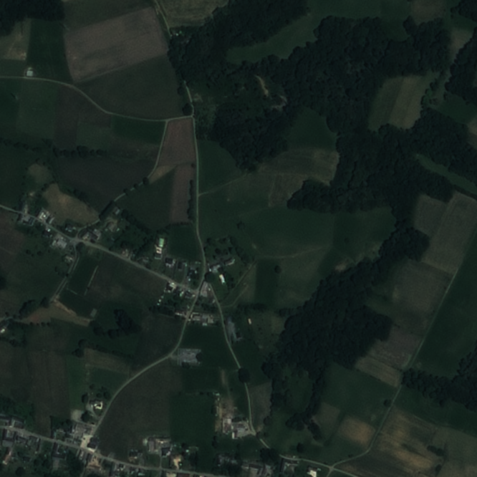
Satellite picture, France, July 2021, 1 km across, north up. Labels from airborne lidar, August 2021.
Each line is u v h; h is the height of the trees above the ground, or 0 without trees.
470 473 0
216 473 8
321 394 13
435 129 25
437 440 0
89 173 0
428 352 0
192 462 6
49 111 0
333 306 19
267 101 27
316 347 22
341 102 22
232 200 0
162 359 0
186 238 0
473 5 26
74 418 0
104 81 0
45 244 6
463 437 0
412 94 0
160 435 0
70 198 0
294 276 0
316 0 0
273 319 0
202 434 0
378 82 29
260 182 0
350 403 0
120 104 0
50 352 0
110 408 0
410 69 29
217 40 13
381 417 0
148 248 13
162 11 0
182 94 12
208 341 0
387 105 0
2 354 0
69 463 6
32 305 19
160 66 0
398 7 0
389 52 24
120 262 0
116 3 0
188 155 0
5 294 0
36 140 0
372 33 26
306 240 0
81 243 6
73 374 0
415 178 23
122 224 0
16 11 30
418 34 22
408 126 0
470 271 0
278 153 24
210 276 18
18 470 9
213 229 0
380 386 0
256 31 23
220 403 0
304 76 27
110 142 0
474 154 23
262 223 0
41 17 17
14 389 0
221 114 20
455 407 0
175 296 7
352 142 25
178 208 0
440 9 0
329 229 0
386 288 0
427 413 0
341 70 27
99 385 0
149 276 0
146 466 0
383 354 0
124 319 31
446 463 0
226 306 0
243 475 0
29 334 0
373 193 22
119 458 0
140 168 0
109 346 0
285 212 0
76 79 0
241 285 0
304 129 0
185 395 0
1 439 9
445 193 21
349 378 0
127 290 0
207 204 0
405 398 0
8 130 0
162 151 0
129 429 0
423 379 20
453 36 0
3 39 0
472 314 0
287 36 0
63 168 0
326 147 0
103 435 0
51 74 0
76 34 0
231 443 0
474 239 0
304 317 19
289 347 14
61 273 6
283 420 0
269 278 0
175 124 0
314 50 25
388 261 20
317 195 22
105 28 0
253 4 20
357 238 0
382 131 19
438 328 0
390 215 0
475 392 28
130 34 0
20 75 0
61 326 0
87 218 0
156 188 0
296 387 0
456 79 22
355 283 25
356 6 0
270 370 25
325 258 0
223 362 0
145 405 0
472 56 17
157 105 0
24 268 0
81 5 0
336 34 31
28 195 8
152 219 0
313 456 0
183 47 7
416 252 20
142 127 0
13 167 0
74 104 0
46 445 0
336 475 0
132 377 0
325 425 0
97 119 0
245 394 0
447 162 17
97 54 0
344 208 21
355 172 16
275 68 26
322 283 16
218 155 0
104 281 0
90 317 0
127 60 0
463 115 0
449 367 0
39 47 0
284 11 23
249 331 7
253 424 0
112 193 0
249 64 16
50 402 0
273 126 27
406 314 0
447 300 0
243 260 12
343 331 17
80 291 0
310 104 19
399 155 13
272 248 0
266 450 14
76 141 0
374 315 24
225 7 11
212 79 22
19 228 0
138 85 0
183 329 0
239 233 0
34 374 0
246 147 26
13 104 0
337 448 0
